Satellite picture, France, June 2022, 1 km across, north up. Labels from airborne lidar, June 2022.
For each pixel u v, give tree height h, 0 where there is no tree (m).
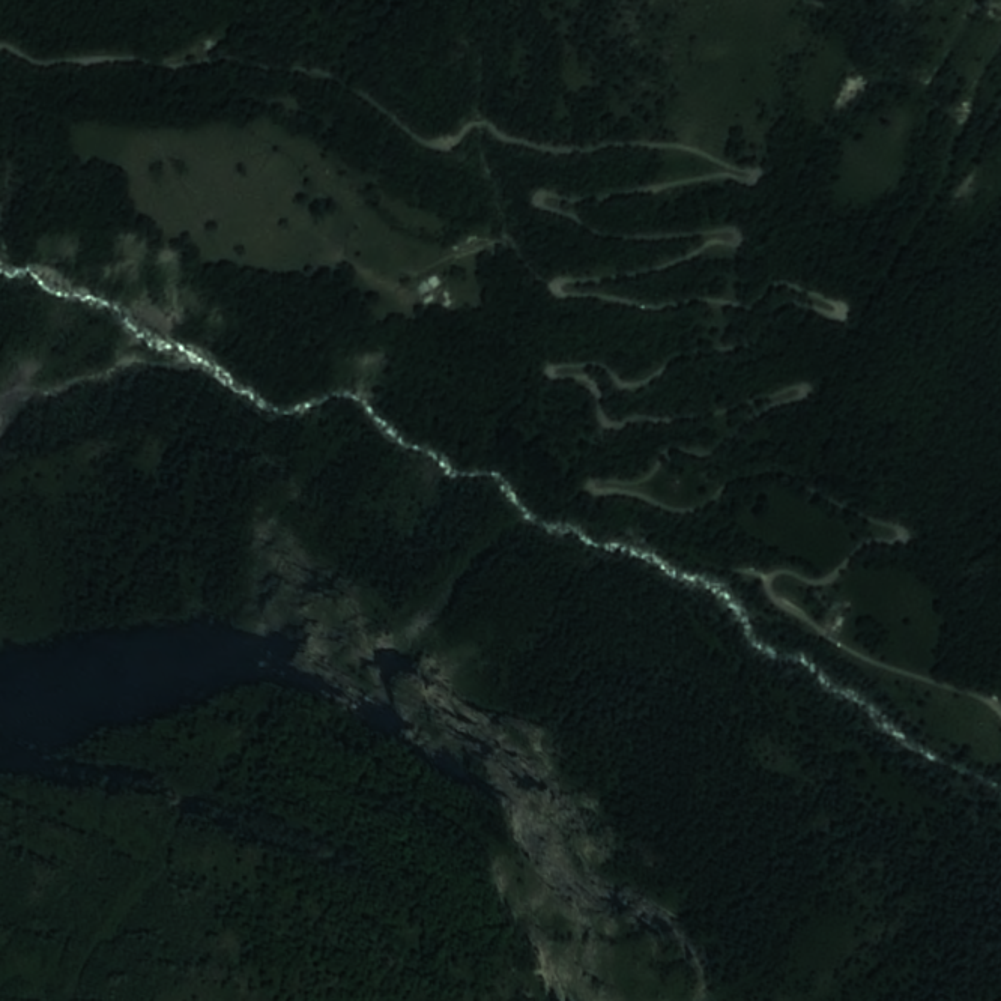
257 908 11
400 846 9
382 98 18
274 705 7
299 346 27
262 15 19
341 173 10
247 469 7
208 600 8
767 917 12
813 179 17
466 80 13
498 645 6
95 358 12
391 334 23
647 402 9
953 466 16
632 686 20
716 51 0
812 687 16
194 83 19
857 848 15
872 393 13
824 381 14
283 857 13
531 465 22
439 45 12
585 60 16
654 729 18
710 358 21
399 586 16
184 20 25
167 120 25
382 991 14
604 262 17
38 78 14
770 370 14
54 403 15
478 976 10
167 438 12
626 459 14
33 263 7
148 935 10
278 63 22
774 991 7
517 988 8
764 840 17
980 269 20
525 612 9
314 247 0
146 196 0
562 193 16
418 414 20
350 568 8
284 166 0
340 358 8
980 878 16
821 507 21
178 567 9
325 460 7
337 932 7
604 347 17
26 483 8
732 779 14
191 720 9
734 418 14
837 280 19
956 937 17
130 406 17
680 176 0
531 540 14
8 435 7
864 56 20
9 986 6
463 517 16
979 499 15
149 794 16
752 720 14
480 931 18
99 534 14
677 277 13
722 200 19
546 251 16
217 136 0
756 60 0
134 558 9
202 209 0
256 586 0
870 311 16
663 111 12
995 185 0
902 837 13
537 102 12
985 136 16
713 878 19
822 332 18
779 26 0
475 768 14
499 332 14
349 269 14
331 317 24
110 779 7
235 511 14
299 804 13
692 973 7
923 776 20
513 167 18
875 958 10
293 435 14
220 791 10
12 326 9
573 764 9
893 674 0
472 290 0
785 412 16
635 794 17
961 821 18
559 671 11
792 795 11
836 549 0
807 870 15
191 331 7
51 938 12
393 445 9
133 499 11
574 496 15
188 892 8
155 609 8
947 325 17
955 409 17
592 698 17
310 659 9
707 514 17
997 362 17
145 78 22
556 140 8
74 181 9
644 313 14
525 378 10
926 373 12
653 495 0
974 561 13
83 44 14
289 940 11
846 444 19
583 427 19
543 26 13
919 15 8
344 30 25
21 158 11
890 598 0
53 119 19
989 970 15
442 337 23
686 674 14
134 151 0
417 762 39
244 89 11
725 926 15
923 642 0
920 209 20
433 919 14
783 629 14
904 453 13
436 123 11
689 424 18
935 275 14
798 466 21
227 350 11
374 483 6
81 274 8
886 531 0
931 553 19
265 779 13
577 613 13
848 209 6
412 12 18
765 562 14
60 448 10
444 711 15
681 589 15
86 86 12
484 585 12
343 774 15
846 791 16
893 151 0
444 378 14
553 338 14
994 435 21
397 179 17
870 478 21
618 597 15
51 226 13
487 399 19
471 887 14
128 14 14
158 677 12
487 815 22
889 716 14
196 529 8
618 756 12
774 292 20
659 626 16
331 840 8
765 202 18
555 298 10
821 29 8
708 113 0
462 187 13
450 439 18
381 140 22
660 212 11
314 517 7
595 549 15
